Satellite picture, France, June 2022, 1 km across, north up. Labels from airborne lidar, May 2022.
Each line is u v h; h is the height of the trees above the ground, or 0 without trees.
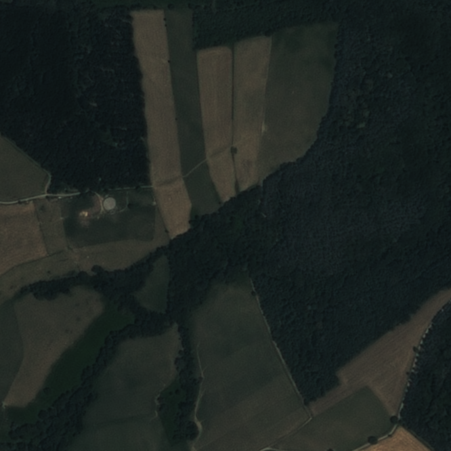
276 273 25
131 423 0
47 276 0
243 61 0
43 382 0
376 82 26
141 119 19
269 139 0
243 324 0
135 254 0
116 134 22
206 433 0
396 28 25
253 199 11
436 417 22
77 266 0
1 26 20
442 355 18
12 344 0
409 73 27
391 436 8
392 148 27
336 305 16
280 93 0
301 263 12
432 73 27
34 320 0
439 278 18
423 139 23
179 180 0
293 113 0
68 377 0
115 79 12
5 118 23
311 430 0
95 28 17
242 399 0
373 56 16
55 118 19
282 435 0
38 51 21
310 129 0
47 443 17
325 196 16
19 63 25
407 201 26
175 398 0
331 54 0
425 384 18
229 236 9
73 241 0
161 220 0
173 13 0
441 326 20
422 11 21
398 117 23
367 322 17
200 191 0
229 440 0
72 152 22
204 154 0
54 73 18
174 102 0
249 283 0
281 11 8
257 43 0
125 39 18
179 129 0
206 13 10
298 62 0
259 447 0
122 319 0
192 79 0
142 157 19
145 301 0
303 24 8
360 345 11
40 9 21
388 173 28
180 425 16
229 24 7
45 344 0
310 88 0
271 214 22
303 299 22
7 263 0
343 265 20
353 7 20
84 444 0
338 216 13
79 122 22
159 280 0
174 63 0
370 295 19
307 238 20
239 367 0
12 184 0
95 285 6
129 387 0
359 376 0
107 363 13
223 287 0
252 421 0
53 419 26
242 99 0
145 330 20
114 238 0
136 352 0
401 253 28
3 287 0
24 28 21
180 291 15
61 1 28
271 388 0
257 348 0
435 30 22
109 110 22
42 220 0
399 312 15
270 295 18
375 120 18
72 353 0
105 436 0
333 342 17
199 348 0
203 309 0
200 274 26
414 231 29
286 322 22
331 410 0
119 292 22
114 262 0
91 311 0
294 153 0
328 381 15
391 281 20
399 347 0
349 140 19
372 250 27
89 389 12
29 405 0
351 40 19
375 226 16
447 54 26
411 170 27
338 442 0
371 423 0
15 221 0
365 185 25
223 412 0
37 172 0
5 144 0
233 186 0
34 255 0
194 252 18
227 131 0
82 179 22
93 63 17
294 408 0
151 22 0
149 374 0
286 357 9
